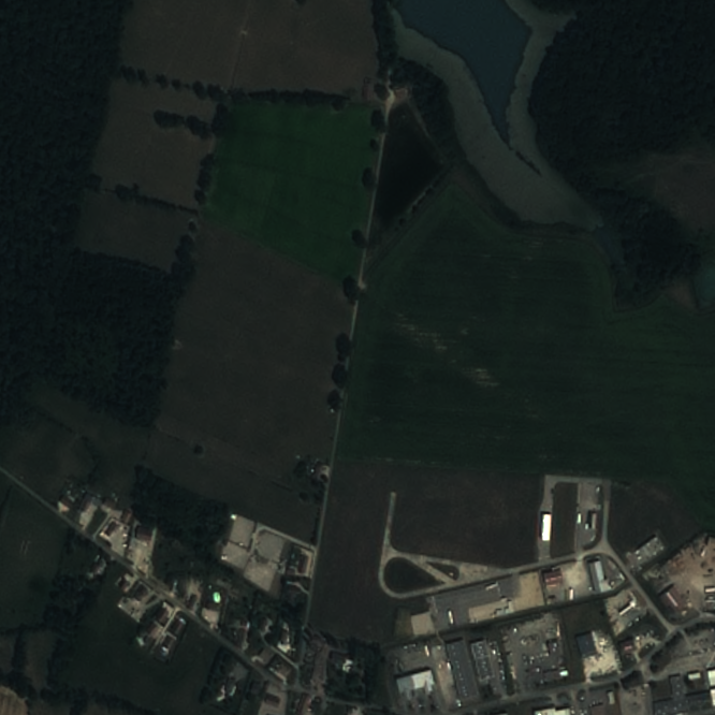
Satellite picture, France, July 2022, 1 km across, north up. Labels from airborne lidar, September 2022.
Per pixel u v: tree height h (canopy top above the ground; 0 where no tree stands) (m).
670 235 13
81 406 0
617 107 23
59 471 0
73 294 20
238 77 0
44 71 22
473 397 0
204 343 0
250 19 0
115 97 0
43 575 0
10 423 21
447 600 0
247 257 0
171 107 0
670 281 16
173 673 0
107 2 13
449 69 0
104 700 28
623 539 0
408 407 0
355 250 0
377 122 18
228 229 0
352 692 7
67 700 16
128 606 0
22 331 27
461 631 0
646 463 0
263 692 10
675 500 0
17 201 18
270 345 0
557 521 0
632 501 0
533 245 0
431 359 0
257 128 0
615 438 0
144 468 13
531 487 0
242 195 0
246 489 0
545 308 0
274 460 0
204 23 0
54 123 20
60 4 20
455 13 0
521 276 0
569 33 18
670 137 23
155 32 0
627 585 0
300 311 0
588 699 0
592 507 0
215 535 10
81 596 20
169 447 0
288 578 5
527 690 0
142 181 0
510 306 0
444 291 0
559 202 0
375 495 0
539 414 0
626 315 0
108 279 18
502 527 0
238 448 0
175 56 0
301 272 0
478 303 0
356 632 0
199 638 0
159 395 19
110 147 0
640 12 21
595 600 0
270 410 0
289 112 0
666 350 0
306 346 0
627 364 0
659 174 0
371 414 0
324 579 0
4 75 17
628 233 18
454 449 0
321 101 13
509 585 0
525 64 0
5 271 26
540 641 0
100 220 0
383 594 0
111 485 0
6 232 20
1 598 0
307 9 0
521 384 0
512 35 0
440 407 0
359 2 0
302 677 0
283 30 0
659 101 23
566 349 0
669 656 0
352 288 20
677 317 0
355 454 0
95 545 11
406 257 0
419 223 0
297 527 0
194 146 0
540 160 0
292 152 0
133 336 17
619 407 0
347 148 0
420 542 0
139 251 0
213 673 9
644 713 0
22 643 17
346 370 16
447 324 0
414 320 0
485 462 0
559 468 0
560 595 0
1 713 0
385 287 0
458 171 0
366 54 0
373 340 0
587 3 26
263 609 0
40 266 24
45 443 0
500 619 0
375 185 16
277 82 0
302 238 0
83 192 17
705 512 0
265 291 0
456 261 0
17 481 0
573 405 0
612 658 0
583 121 22
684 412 0
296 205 0
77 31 23
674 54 24
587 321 0
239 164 0
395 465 0
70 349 18
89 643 0
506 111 0
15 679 20
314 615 0
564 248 0
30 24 20
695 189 0
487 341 0
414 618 0
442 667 0
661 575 0
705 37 21
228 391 0
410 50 0
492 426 0
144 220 0
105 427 0
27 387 17
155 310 16
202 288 0
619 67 21
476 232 0
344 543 0
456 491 0
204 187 16
